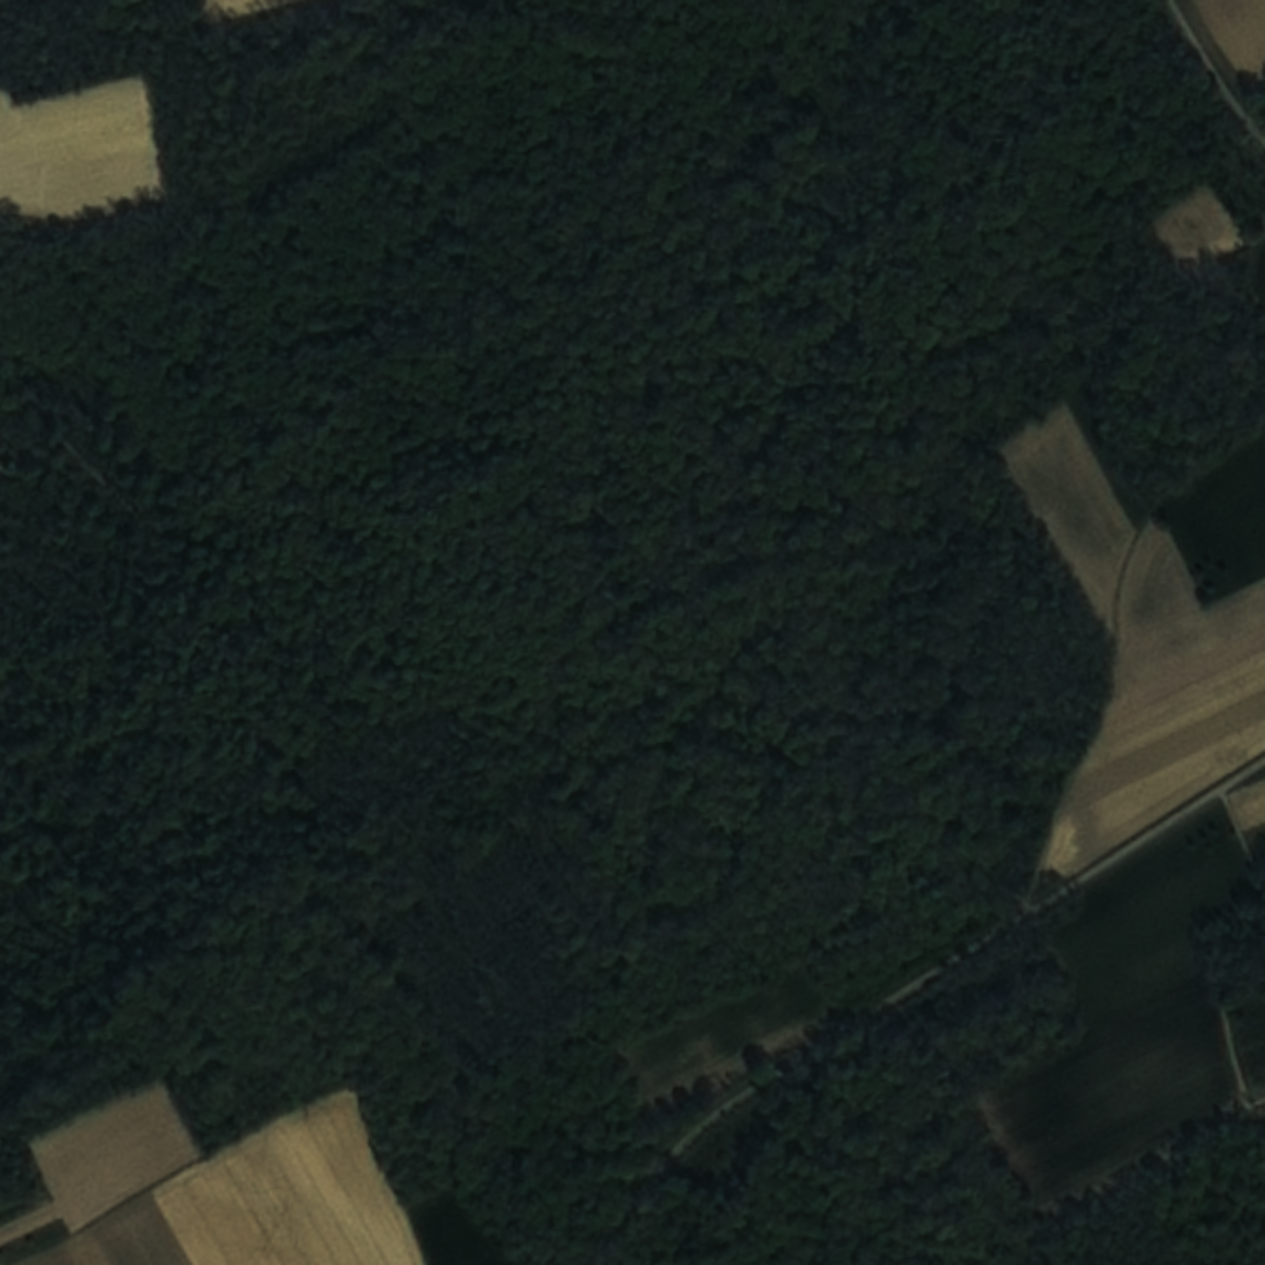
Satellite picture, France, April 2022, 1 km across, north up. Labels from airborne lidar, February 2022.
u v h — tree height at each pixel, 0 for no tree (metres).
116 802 29
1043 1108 0
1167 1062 0
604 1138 22
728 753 31
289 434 29
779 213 30
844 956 30
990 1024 35
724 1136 0
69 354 29
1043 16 27
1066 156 26
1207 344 27
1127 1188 19
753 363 35
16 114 0
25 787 31
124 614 24
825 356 33
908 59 20
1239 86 0
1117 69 23
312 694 26
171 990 33
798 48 25
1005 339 17
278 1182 0
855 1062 34
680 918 32
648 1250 26
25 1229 0
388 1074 29
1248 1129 19
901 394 29
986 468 31
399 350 26
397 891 30
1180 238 0
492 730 21
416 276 26
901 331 33
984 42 24
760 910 34
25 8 31
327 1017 32
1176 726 0
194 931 27
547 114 26
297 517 26
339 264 23
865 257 33
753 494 28
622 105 23
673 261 35
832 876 34
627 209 28
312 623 26
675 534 33
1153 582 0
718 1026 0
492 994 30
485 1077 30
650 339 35
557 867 27
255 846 11
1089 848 0
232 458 30
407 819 28
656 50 25
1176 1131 0
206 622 29
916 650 23
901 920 32
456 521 36
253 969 35
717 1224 22
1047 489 0
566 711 23
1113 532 0
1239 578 0
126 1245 0
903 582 35
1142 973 0
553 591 34
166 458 26
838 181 21
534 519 34
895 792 36
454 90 26
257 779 24
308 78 26
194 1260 0
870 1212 28
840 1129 33
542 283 29
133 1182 0
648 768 35
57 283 24
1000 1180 30
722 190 35
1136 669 0
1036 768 25
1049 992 32
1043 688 24
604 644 34
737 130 34
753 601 41
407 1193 25
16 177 0
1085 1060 0
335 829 24
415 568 29
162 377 27
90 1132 0
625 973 26
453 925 29
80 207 0
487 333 31
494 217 25
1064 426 0
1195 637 0
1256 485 0
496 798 22
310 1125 0
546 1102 29
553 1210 29
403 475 29
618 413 34
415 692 28
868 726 35
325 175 25
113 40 27
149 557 10
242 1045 35
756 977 32
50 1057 28
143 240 25
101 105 0
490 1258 0
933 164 31
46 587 8
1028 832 28
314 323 23
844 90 31
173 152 23
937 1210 32
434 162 23
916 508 33
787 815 35
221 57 23
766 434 24
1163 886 0
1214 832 8
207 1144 21
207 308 25
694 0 30
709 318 36
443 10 28
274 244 28
